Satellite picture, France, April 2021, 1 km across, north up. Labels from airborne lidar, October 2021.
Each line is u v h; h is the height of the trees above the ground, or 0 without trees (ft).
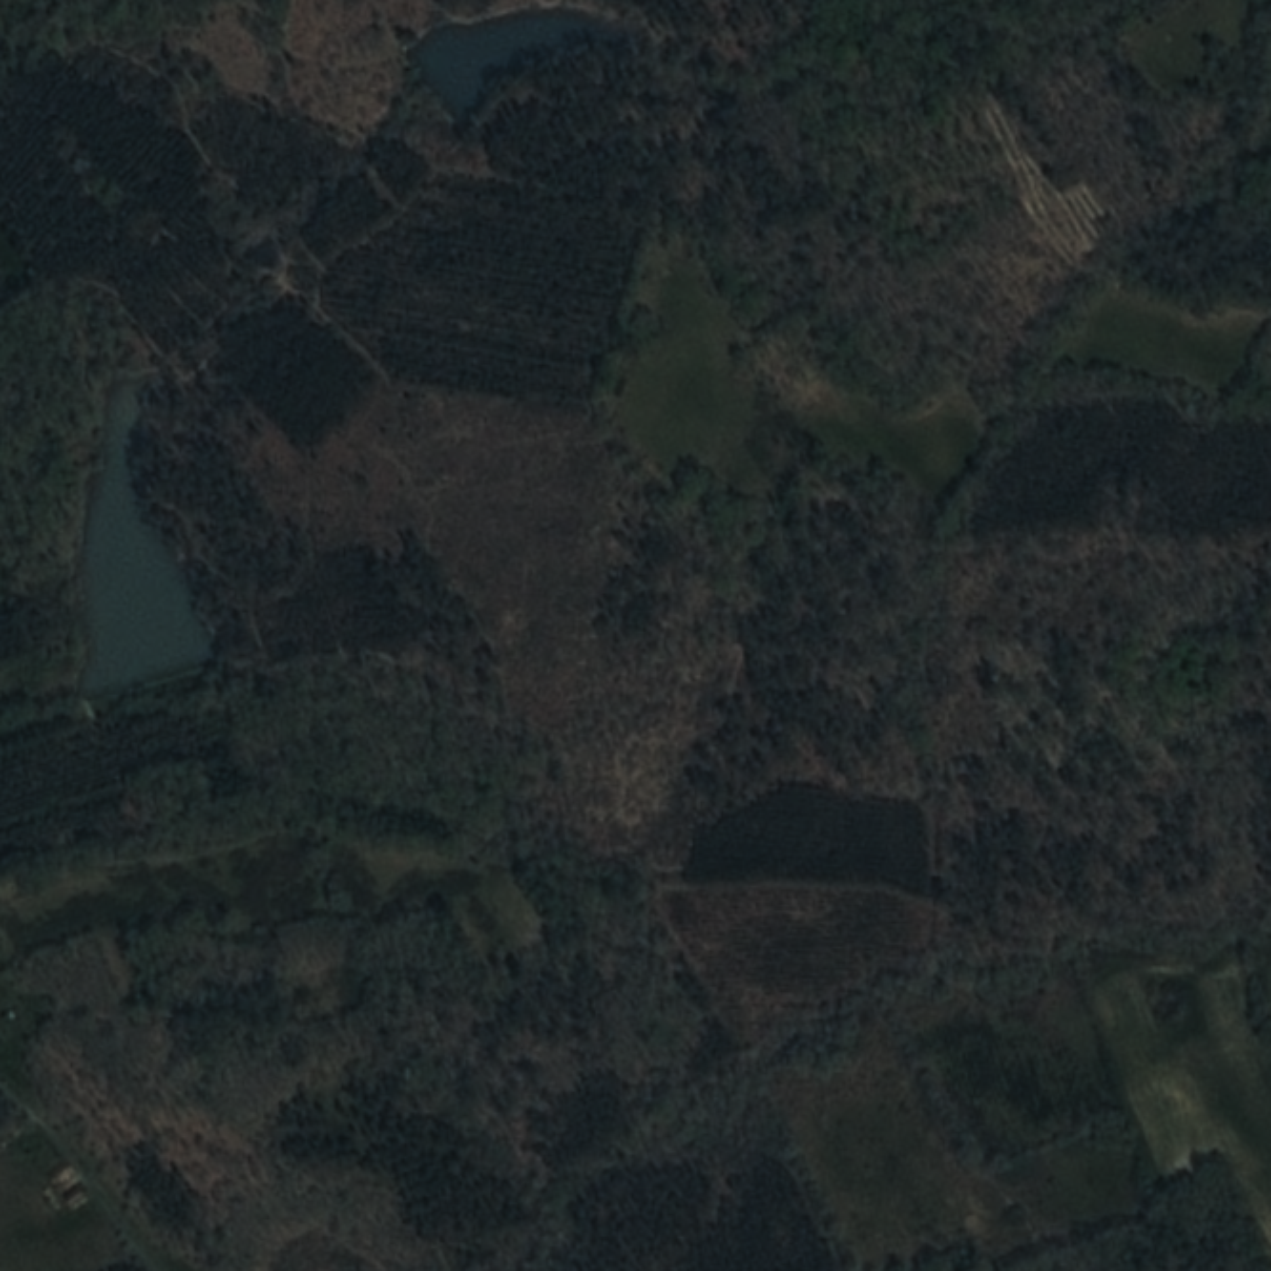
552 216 42
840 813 40
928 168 60
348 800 68
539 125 74
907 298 41
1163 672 56
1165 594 61
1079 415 50
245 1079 61
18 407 67
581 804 0
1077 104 44
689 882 41
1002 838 75
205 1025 76
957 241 59
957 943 49
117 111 61
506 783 81
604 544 0
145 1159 60
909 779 52
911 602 77
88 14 47
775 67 73
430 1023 62
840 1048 39
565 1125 45
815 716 80
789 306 56
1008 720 37
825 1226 26
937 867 27
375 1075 31
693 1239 54
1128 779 79
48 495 98
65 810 33
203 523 74
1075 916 56
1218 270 54
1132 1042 0
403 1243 38
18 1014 21
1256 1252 67
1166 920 43
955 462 0
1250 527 42
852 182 57
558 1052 63
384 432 28
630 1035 72
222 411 39
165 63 27
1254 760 46
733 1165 32
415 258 28
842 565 82
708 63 48
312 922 53
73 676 0
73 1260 0
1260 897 52
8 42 42
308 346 39
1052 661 43
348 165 28
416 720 65
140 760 38
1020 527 37
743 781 70
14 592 72
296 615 24
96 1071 43
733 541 74
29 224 54
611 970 37
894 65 53
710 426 0
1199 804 43
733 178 74
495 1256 44
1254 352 47
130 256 41
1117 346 0
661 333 27
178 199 60
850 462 48
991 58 75
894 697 56
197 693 38
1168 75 0
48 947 44
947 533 71
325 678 53
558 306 25
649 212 71
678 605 36
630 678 47
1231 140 46
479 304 22
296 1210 42
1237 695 70
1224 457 42
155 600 0
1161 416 51
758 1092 48
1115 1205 0
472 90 0
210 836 70
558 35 0
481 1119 63
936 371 63
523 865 58
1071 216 0
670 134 35
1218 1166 53
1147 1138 0
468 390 26
